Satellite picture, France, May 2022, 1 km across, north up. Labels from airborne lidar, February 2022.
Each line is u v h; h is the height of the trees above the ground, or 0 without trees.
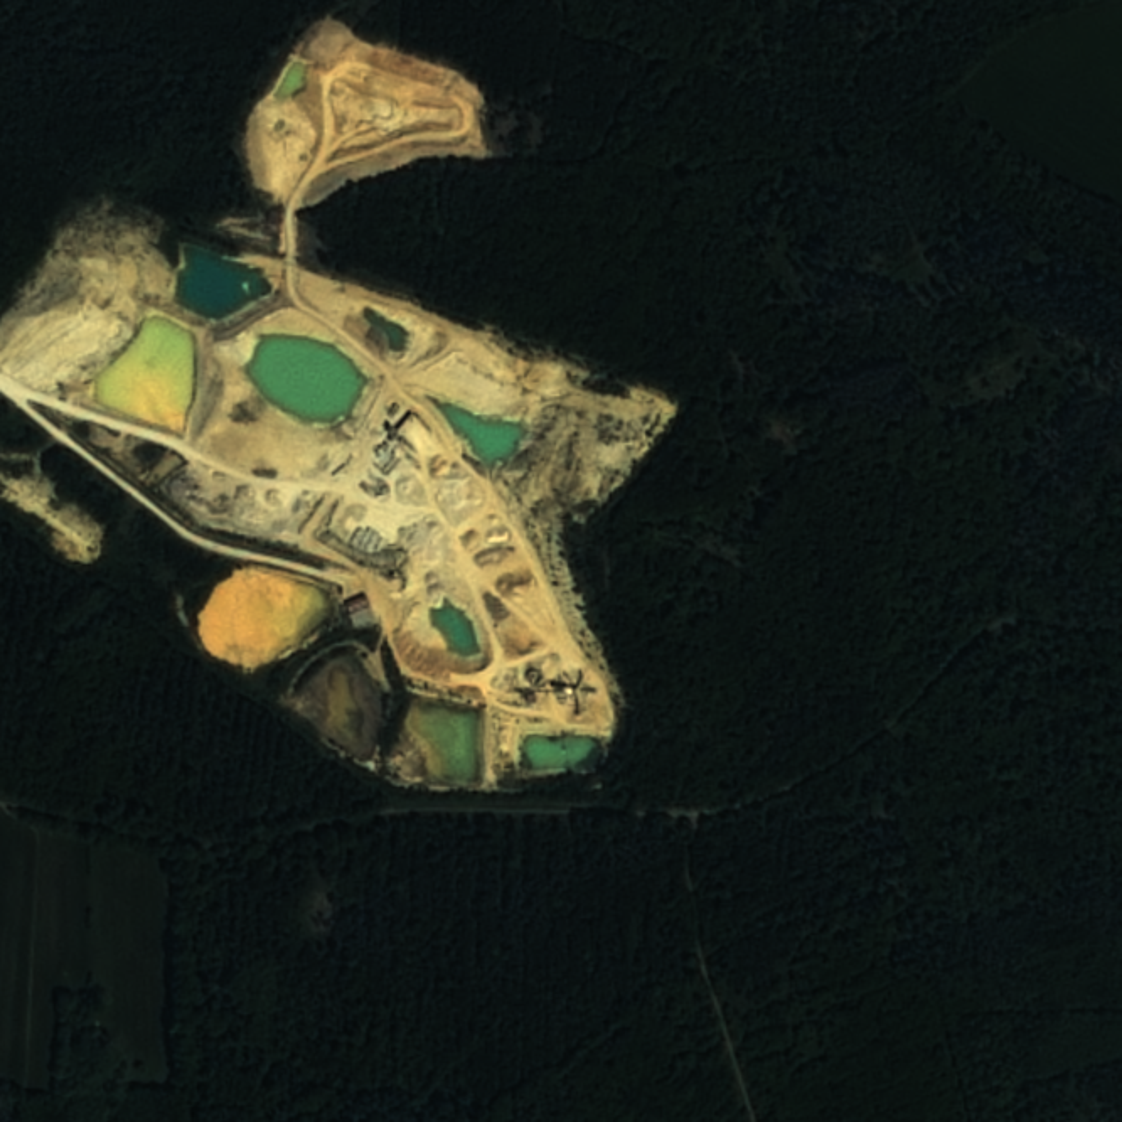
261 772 14
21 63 16
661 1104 17
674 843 18
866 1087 11
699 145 10
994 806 13
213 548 0
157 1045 0
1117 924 21
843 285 25
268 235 0
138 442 0
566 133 13
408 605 0
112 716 9
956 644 13
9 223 12
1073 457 24
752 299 8
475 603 0
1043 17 7
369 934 19
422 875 17
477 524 0
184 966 26
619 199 9
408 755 0
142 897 0
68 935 0
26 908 0
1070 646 8
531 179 14
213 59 12
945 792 8
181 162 12
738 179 7
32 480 0
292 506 0
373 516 0
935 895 11
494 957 18
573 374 0
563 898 15
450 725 0
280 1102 21
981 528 23
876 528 24
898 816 14
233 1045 24
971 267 22
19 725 8
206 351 0
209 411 0
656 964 14
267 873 13
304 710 0
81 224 0
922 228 8
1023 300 26
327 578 0
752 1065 8
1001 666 8
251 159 0
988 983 19
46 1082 0
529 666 0
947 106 14
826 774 10
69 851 0
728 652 15
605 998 14
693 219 6
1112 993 10
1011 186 10
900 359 27
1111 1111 19
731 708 12
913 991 11
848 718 18
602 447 0
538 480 0
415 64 0
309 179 0
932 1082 10
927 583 29
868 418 24
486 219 13
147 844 15
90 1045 19
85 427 0
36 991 0
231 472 0
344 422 0
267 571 0
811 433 27
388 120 0
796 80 10
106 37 14
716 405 15
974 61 10
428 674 0
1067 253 24
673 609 21
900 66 12
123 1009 0
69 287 0
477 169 14
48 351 0
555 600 0
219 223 0
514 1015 12
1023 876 13
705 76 13
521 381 0
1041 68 0
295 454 0
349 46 0
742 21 15
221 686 17
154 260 0
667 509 11
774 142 12
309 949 12
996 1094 11
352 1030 18
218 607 0
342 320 0
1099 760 20
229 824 12
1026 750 12
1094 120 0
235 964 16
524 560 0
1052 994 11
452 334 0
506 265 17
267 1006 14
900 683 12
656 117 17
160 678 15
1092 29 0
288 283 0
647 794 13
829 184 9
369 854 12
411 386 0
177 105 20
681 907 14
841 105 11
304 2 20
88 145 12
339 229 11
